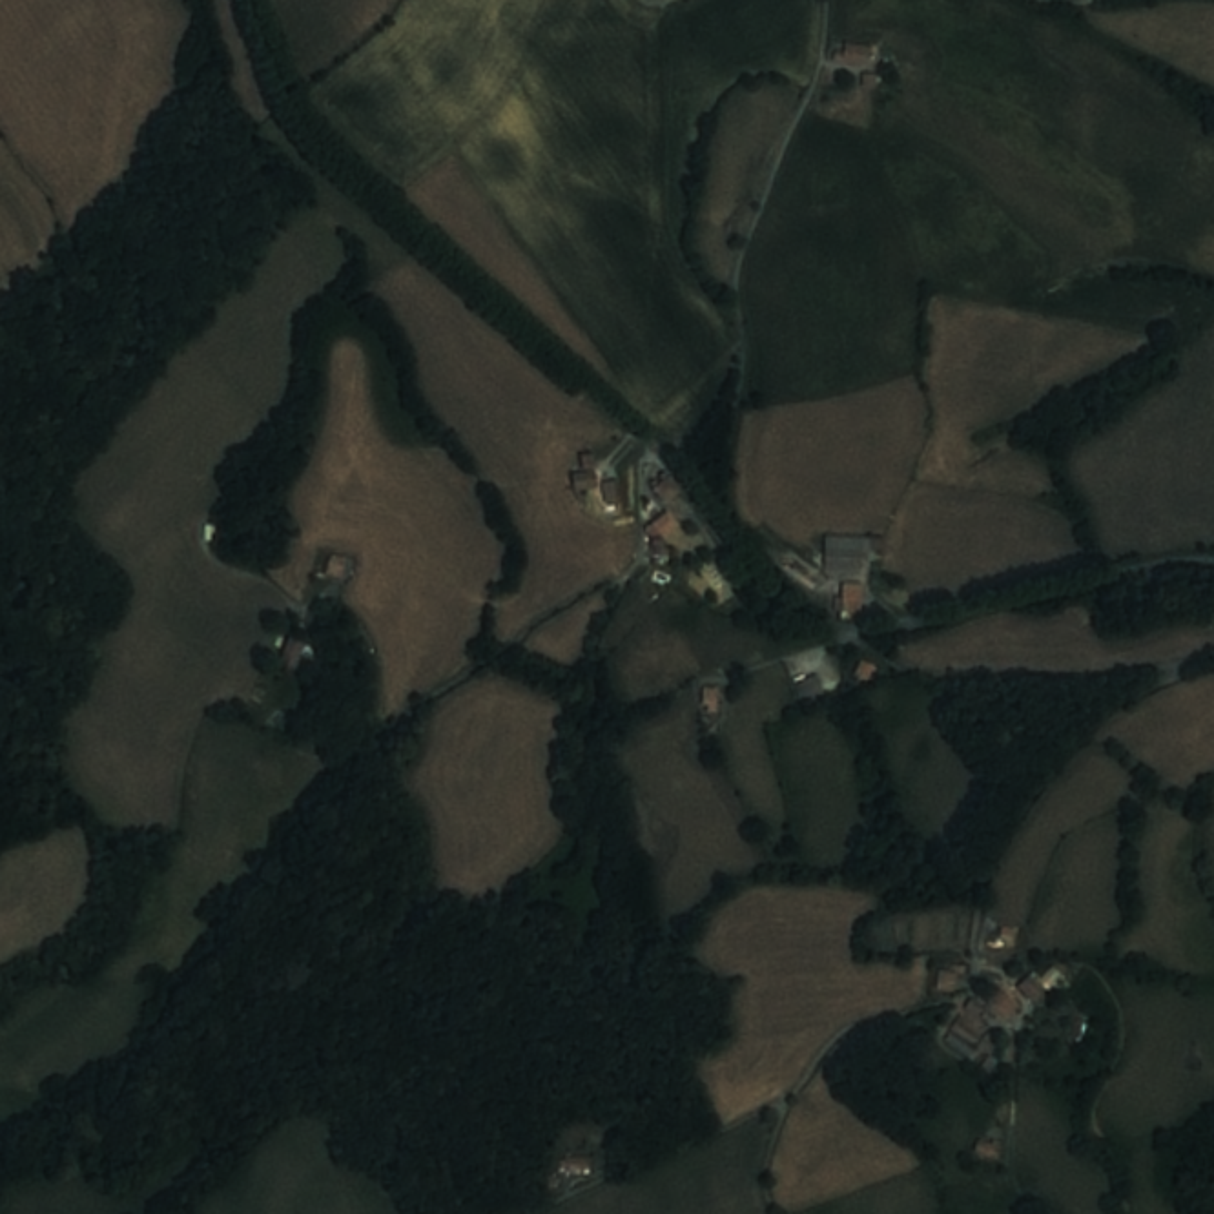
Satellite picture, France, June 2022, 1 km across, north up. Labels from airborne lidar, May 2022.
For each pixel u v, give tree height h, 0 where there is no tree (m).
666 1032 25
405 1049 16
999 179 0
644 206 0
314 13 0
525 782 0
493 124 0
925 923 0
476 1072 19
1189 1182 23
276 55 28
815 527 0
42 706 33
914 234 0
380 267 0
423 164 0
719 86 0
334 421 0
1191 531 0
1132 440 0
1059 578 30
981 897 22
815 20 0
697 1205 0
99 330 25
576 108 0
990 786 20
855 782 0
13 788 27
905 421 0
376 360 0
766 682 0
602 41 0
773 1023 0
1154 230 0
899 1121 21
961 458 0
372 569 0
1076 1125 6
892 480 0
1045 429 24
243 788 0
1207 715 0
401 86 0
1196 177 0
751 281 0
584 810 22
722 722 0
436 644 0
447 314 0
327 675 23
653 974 26
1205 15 0
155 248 26
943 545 0
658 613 0
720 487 20
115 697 0
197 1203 8
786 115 0
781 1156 0
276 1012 17
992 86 0
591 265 0
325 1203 0
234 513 24
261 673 23
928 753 0
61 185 0
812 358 0
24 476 20
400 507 0
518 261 0
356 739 27
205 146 26
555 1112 18
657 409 0
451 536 0
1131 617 26
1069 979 0
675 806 0
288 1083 16
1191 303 0
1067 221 0
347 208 0
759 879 8
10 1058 0
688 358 0
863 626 23
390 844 19
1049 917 0
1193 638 0
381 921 20
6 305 24
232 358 0
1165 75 8
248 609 0
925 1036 18
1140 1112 0
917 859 21
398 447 0
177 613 0
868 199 0
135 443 0
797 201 0
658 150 0
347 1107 23
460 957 25
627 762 0
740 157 0
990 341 0
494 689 0
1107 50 0
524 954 21
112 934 27
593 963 27
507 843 0
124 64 0
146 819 0
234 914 31
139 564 0
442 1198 17
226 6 0
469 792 0
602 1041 24
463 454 16
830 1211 0
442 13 0
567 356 25
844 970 0
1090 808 0
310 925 11
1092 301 0
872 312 0
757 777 0
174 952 0
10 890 0
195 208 27
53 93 0
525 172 0
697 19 0
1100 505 0
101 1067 15
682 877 0
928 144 0
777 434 0
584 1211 0
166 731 0
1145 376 20
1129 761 12
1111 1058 7
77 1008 0
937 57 0
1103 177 0
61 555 24
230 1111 12
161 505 0
